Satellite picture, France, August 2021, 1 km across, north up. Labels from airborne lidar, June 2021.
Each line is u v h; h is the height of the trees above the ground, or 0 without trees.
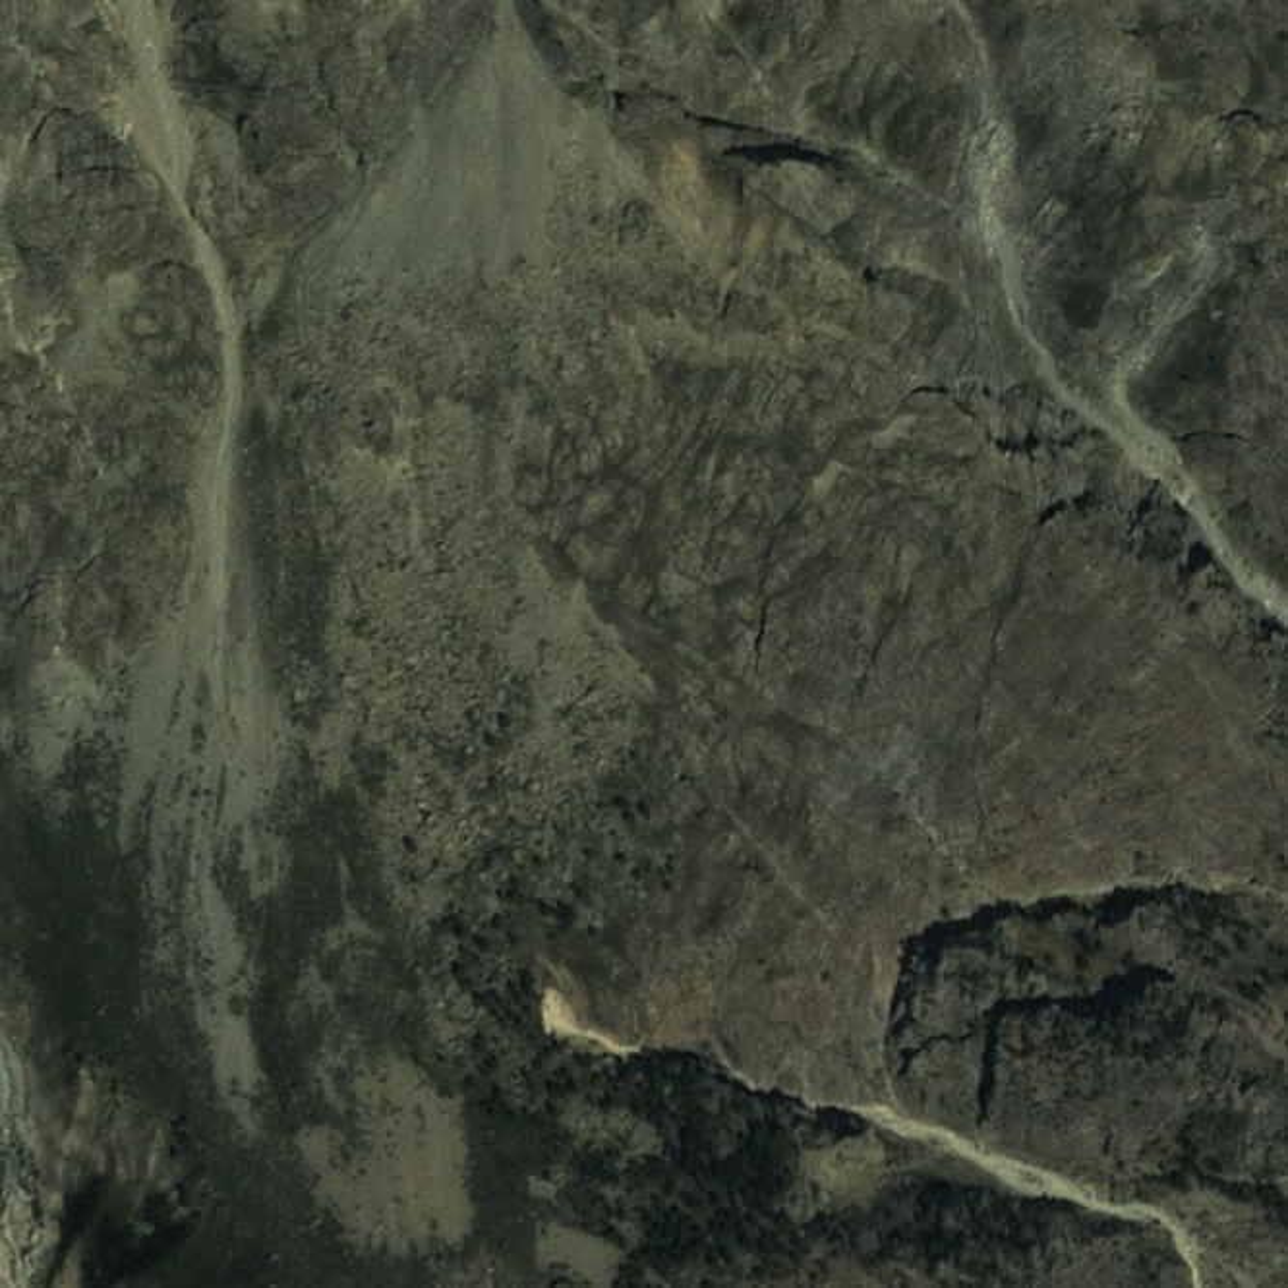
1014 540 0
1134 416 0
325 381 0
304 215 0
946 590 0
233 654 0
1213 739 0
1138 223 0
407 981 0
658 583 0
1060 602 0
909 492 0
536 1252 0
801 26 0
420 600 0
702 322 0
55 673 0
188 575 0
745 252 0
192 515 0
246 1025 0
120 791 0
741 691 0
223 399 0
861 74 0
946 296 0
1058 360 0
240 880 0
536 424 0
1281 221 0
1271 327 0
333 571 0
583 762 0
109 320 0
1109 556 0
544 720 0
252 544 0
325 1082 0
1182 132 0
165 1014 0
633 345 0
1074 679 0
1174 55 0
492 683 0
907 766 0
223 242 0
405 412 0
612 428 0
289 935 0
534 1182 0
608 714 0
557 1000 0
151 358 0
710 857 0
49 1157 0
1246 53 0
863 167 0
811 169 0
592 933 10
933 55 0
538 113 0
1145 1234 7
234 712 0
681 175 0
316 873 0
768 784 0
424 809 0
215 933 0
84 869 0
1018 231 0
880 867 0
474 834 0
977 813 0
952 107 0
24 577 0
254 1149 0
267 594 0
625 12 0
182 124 0
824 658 0
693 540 0
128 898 0
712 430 0
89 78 0
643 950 0
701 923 0
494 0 0
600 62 0
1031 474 0
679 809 0
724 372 0
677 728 0
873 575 0
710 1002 0
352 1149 0
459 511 0
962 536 0
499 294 0
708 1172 17
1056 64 0
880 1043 0
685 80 0
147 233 0
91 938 0
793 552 0
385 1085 0
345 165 0
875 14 0
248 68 0
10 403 0
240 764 0
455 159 0
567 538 0
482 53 0
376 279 0
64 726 0
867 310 0
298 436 0
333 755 0
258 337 0
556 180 0
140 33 0
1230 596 7
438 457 0
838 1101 0
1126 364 0
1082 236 0
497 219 0
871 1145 0
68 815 0
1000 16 0
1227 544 0
